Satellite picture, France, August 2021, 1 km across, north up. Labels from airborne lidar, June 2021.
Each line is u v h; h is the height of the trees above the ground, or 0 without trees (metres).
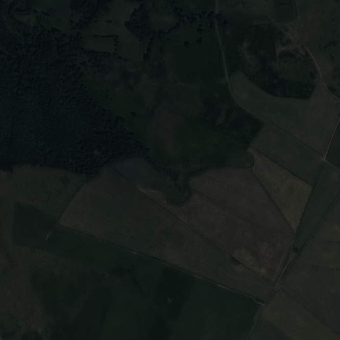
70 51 11
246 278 0
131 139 15
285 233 0
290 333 0
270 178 0
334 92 0
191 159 0
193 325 0
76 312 0
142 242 0
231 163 0
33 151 15
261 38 0
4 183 0
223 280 0
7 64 20
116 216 0
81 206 0
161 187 0
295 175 0
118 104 0
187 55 0
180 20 11
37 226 0
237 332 0
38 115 16
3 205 0
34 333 0
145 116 0
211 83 0
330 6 0
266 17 0
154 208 0
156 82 0
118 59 7
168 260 0
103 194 0
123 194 0
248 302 0
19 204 0
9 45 17
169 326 0
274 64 0
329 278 0
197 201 0
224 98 0
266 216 0
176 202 0
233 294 0
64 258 0
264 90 0
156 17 0
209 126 0
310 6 0
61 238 0
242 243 0
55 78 18
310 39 0
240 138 0
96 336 0
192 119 0
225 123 0
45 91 33
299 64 0
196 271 0
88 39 0
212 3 0
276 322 0
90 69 0
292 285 0
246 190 0
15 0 8
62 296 0
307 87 0
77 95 26
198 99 0
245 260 0
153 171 0
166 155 0
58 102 15
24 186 0
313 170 0
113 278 0
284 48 0
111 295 0
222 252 0
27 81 24
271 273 0
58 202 0
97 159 13
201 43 11
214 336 0
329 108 0
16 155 11
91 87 0
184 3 0
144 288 0
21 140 11
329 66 0
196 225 0
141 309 0
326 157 0
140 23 13
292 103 0
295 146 0
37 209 0
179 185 0
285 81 0
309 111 0
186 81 0
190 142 0
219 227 0
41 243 0
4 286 0
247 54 0
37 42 23
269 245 0
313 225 0
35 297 0
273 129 0
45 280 0
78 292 0
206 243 0
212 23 17
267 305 0
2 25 25
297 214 0
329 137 0
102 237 0
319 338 0
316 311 0
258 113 0
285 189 0
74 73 5
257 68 0
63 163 14
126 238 0
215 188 0
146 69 0
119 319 0
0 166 14
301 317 0
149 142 0
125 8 0
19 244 0
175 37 0
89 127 15
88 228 0
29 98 11
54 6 0
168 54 0
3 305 0
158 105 0
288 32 0
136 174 0
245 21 0
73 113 14
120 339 0
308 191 0
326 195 0
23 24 11
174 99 0
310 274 0
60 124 16
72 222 0
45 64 18
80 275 0
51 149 13
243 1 0
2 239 0
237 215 0
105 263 0
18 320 0
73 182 0
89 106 22
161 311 0
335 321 0
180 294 0
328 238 0
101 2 16
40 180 0
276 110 0
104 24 0
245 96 0
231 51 0
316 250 0
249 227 0
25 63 32
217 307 0
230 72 0
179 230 0
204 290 0
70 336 0
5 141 16
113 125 17
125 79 0
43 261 0
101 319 0
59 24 0
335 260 0
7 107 16
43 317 0
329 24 0
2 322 0
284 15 0
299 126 0
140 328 0
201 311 0
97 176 0
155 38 9
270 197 0
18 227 0
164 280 0
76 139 20
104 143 21
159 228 0
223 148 0
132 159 0
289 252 0
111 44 0
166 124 0
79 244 0
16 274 0
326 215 0
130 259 0
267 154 0
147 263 0
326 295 0
